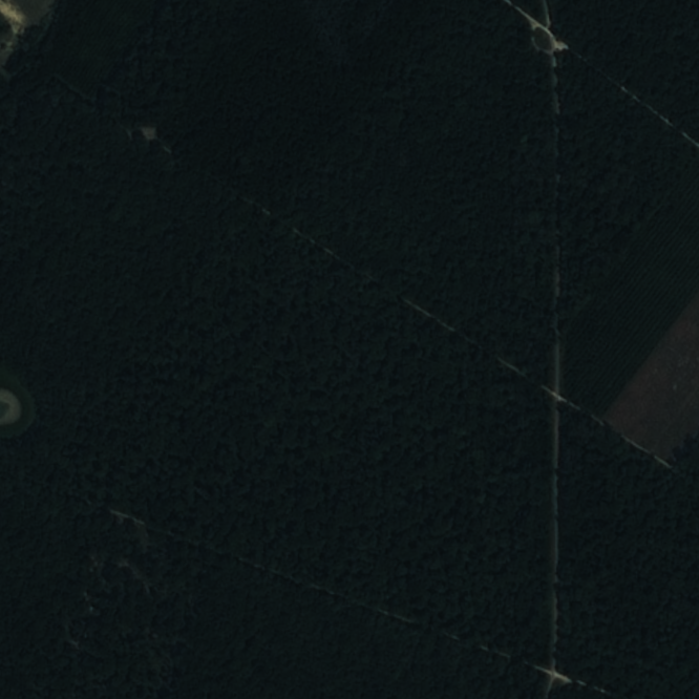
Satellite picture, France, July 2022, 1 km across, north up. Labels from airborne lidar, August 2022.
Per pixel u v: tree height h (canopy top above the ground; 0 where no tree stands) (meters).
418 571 19
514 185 22
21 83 18
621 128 18
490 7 24
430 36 16
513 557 23
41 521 20
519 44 25
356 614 18
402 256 13
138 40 9
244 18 21
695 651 27
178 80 13
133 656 22
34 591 23
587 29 18
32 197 27
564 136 17
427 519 6
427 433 26
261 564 8
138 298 25
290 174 17
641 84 18
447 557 21
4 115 25
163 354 29
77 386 23
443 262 17
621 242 24
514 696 27
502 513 17
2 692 19
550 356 9
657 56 21
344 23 22
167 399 20
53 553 23
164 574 23
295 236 7
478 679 24
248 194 15
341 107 21
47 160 21
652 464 19
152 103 14
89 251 22
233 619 16
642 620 12
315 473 17
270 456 24
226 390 16
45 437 21
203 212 18
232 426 21
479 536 8
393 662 17
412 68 13
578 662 24
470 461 6
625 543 10
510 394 22
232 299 20
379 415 18
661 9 21
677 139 16
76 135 20
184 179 20
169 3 21
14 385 0
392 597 25
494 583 18
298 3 21
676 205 8
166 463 20
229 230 19
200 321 6
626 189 21
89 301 22
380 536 21
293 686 21
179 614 21
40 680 18
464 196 17
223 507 18
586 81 17
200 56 22
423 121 21
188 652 24
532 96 20
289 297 16
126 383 24
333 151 20
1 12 0
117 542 26
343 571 6
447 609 21
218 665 20
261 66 12
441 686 24
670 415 0
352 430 8
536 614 24
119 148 18
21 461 24
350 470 23
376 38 26
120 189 21
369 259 18
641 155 18
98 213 22
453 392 20
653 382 0
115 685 20
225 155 17
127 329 23
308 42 23
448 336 6
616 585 11
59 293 22
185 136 22
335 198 18
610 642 14
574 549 20
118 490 20
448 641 12
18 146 21
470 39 18
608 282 5
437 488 25
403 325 19
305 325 18
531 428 22
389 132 18
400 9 26
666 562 17
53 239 24
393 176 18
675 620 11
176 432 23
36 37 13
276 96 17
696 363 0
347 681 15
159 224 19
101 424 22
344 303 21
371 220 17
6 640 18
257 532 20
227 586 21
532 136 10
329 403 23
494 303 16
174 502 25
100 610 18
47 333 21
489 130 17
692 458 19
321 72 24
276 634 19
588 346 6
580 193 16
